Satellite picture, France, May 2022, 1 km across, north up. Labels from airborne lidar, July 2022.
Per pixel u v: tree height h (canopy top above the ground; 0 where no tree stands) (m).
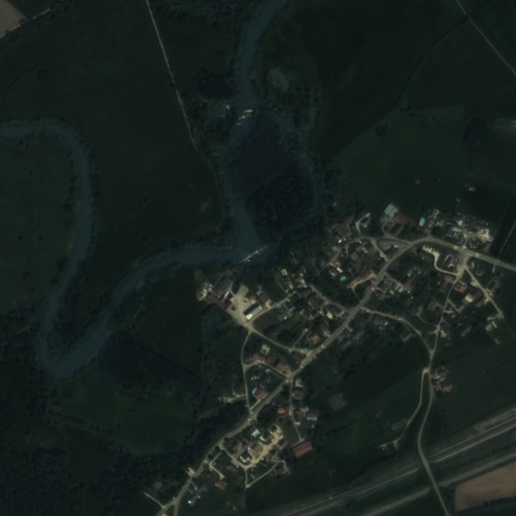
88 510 0
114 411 0
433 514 0
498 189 0
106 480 27
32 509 25
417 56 0
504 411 0
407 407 0
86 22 0
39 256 0
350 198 0
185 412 0
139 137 0
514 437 0
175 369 33
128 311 19
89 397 0
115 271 0
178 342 0
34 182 0
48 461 24
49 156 0
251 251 0
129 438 0
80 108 0
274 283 6
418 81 0
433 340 13
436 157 0
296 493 0
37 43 0
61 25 0
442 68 0
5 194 0
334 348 0
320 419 10
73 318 7
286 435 0
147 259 6
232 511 0
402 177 0
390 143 0
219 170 13
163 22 0
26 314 18
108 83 0
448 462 0
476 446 0
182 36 0
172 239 0
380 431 0
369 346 0
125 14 0
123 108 0
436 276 15
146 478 20
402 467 0
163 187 0
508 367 0
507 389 0
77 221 0
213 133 15
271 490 0
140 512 0
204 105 8
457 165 0
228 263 14
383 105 0
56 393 13
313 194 30
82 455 0
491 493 0
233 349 0
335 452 0
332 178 18
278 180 8
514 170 0
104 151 0
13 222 0
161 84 0
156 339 0
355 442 0
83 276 14
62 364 0
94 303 0
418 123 0
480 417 0
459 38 0
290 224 30
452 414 0
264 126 32
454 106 0
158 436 0
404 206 0
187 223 0
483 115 0
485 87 0
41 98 0
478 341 0
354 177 0
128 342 29
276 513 0
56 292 0
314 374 8
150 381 7
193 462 17
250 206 28
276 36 0
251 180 32
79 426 17
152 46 0
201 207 0
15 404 13
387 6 0
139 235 0
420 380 0
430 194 0
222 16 21
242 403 10
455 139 0
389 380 0
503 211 0
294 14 0
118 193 0
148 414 0
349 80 0
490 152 0
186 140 0
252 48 0
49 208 0
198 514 0
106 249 0
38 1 0
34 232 0
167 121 0
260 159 35
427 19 0
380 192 0
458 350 0
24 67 0
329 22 0
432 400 0
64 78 0
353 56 0
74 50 0
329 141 0
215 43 0
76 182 13
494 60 0
